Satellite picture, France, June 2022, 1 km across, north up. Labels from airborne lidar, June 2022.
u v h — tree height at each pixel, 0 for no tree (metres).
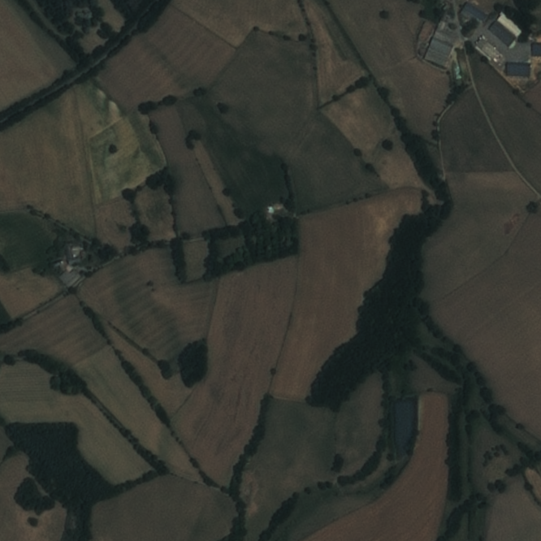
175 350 0
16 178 0
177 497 0
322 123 0
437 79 0
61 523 0
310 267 0
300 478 0
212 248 20
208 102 0
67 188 0
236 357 0
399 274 19
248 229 21
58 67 0
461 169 0
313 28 0
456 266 0
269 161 0
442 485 0
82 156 0
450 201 10
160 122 0
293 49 0
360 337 15
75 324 0
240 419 0
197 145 0
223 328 0
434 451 0
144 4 19
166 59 0
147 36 0
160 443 0
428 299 0
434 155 0
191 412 0
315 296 0
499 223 0
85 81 12
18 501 9
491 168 0
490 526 0
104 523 0
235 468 12
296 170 0
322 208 0
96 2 22
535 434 0
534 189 0
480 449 0
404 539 0
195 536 0
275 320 0
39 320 0
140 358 0
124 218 0
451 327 0
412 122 0
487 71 0
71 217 0
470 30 14
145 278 0
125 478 0
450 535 17
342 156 0
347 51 0
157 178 15
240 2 0
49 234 0
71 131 0
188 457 0
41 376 0
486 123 0
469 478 7
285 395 0
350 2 0
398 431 0
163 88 0
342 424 0
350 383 13
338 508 0
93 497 22
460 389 7
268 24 0
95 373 0
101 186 0
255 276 0
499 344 0
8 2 0
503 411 17
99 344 0
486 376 0
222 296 0
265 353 0
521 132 0
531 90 0
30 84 0
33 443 23
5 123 13
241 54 0
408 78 0
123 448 0
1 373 0
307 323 0
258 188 0
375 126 0
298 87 0
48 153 0
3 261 10
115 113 0
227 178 0
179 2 0
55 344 0
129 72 0
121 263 0
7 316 0
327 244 0
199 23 0
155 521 0
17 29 0
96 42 0
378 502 0
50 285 0
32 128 0
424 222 9
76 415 0
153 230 0
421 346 6
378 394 0
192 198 0
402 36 0
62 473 22
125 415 0
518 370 0
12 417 0
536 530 0
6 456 7
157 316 0
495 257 0
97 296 0
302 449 0
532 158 0
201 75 0
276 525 17
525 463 14
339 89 0
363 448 0
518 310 0
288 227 13
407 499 0
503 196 0
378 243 0
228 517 0
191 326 0
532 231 0
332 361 15
